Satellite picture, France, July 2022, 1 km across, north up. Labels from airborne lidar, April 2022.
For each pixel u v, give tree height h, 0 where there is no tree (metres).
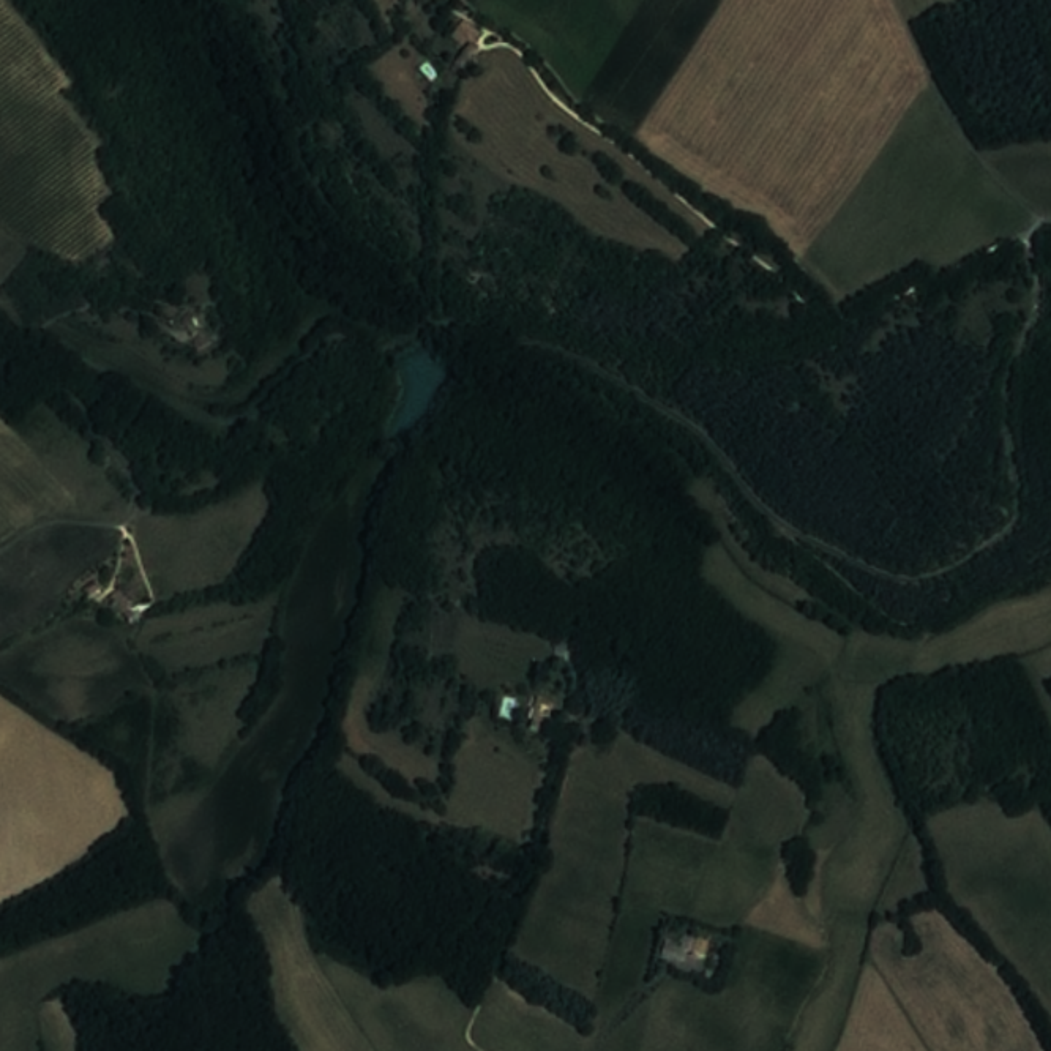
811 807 11
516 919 18
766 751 16
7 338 19
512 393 16
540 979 18
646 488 13
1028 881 0
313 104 14
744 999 0
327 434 15
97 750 8
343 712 7
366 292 9
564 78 0
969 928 17
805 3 0
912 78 0
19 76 0
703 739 14
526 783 0
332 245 7
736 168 0
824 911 0
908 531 12
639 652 16
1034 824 0
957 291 10
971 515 12
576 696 12
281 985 0
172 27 20
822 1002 0
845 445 16
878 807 0
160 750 0
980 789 11
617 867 0
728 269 8
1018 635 0
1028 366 14
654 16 0
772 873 0
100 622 10
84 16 13
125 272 8
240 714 12
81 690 0
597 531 11
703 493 0
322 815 16
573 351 10
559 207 7
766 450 15
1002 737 8
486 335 19
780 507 11
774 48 0
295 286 8
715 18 0
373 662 0
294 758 0
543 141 0
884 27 0
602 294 15
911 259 0
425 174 12
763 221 14
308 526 18
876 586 15
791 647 0
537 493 10
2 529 0
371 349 16
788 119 0
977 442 14
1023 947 0
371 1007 0
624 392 10
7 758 0
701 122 0
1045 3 17
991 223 0
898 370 14
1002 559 16
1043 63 18
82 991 15
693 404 14
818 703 0
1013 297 11
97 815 0
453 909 24
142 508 8
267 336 17
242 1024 17
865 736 0
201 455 15
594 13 0
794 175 0
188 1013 21
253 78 8
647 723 17
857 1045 0
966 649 0
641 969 0
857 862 0
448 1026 0
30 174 0
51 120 0
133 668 0
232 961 17
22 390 15
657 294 17
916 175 0
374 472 0
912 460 14
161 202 8
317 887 15
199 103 18
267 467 13
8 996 0
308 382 12
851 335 14
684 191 14
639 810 9
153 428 18
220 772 0
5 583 0
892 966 0
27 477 0
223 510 0
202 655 0
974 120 13
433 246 8
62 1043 0
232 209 12
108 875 20
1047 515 14
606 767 0
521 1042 0
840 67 0
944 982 0
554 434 13
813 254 0
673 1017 0
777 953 0
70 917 20
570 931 0
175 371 0
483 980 23
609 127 11
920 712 7
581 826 0
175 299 14
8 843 0
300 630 0
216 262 15
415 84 0
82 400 7
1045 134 14
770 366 12
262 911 0
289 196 12
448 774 10
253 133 15
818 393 10
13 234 0
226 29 15
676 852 0
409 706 8
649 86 0
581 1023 15
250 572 16
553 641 14
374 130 0
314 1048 0
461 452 11
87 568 0
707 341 13
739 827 0
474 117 0
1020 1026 0
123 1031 22
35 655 0
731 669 12
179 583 0
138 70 7
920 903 14
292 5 14
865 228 0
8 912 14
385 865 17
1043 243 14
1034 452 18
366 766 14
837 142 0
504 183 0
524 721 7
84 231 0
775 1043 0
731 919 0
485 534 0
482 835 9
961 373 14
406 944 20
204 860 0
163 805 0
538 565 14
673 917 9
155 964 0
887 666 0
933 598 13
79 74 13
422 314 13
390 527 16
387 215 10
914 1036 0
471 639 0
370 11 11
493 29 6
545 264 7
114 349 0
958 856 0
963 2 15
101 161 12
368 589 16
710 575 0
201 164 10
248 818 0
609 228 0
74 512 0
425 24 0
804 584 9
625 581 15
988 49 16
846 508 13
